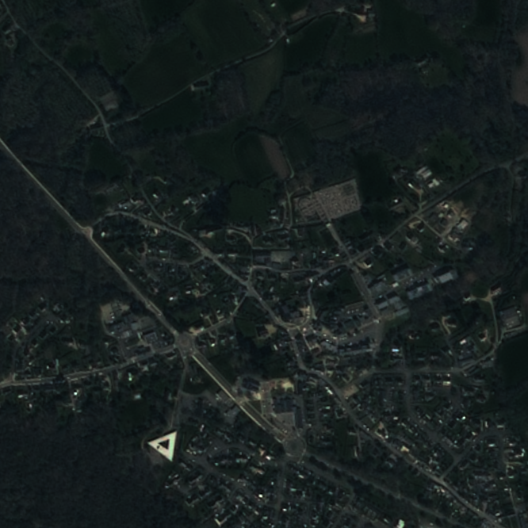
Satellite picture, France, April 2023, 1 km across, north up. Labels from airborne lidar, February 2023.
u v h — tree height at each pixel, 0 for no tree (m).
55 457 15
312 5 10
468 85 17
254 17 0
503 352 0
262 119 8
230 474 0
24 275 12
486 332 0
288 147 0
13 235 19
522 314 0
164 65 0
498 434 0
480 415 7
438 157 0
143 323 0
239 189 0
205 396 0
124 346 0
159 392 0
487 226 0
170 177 10
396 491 10
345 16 8
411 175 10
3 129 14
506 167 0
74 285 15
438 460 8
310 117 0
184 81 0
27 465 19
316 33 0
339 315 0
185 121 0
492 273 26
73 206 16
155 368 6
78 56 0
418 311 27
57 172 21
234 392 0
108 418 18
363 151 15
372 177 0
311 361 10
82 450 17
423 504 18
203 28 0
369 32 0
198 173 10
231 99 11
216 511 0
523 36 0
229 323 0
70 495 16
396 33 0
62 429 13
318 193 0
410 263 0
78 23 21
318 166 12
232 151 0
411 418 0
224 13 0
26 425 16
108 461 16
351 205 0
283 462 0
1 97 19
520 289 0
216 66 0
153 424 12
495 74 19
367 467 15
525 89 0
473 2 15
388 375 0
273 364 0
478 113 25
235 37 0
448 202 0
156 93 0
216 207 25
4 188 19
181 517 11
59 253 23
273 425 9
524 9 8
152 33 14
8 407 12
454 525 0
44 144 25
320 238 0
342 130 0
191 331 0
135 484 18
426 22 17
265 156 0
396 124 17
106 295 14
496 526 0
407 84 16
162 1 0
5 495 17
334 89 19
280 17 0
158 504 17
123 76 7
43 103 22
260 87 0
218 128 12
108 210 0
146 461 10
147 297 10
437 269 0
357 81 18
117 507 14
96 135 0
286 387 0
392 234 0
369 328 0
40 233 21
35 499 16
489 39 0
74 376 0
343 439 0
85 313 19
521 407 6
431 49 0
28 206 20
